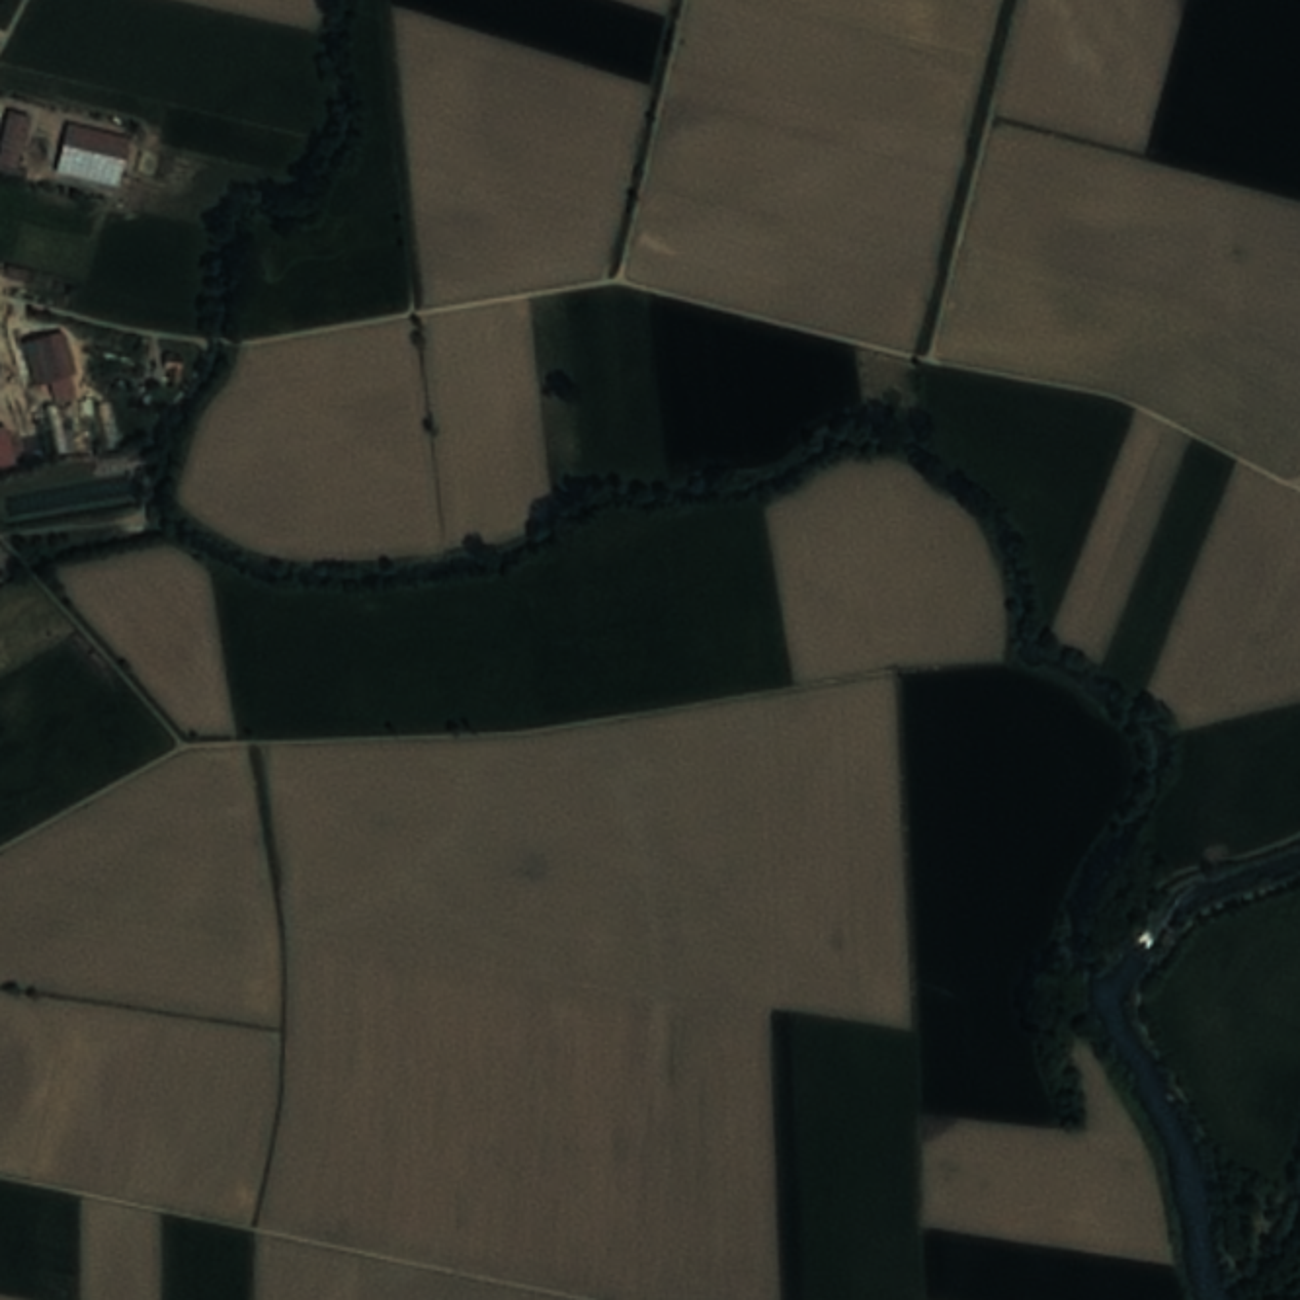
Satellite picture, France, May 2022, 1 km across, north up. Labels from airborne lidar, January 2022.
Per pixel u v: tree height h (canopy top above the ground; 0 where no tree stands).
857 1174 0
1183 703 0
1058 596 0
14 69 0
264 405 0
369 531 0
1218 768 0
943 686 0
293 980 0
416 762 0
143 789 0
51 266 0
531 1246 0
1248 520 0
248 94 0
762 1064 0
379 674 0
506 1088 0
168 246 0
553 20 0
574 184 0
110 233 0
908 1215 0
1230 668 0
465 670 0
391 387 0
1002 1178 0
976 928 0
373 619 0
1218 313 0
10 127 0
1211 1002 0
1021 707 0
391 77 0
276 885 0
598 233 0
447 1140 0
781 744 0
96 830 0
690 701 0
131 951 0
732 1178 0
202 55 0
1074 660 12
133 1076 0
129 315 0
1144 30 0
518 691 0
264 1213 0
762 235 0
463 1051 0
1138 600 0
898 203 0
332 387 0
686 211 0
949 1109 0
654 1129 0
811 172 0
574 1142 0
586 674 0
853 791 0
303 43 0
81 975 0
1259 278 0
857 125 0
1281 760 0
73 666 0
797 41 0
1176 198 0
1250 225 0
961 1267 0
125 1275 0
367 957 0
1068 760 0
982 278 0
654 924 0
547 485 0
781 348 0
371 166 0
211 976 0
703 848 0
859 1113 0
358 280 0
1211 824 0
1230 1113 0
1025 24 0
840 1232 0
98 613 0
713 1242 0
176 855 0
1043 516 0
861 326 0
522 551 6
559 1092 0
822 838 0
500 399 0
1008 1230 0
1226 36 0
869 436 15
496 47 0
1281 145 0
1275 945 0
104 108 0
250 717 0
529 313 0
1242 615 0
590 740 0
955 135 0
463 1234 0
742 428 0
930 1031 0
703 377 0
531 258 0
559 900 0
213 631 0
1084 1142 0
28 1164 0
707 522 0
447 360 0
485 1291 0
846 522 0
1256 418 0
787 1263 0
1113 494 0
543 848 0
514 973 0
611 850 0
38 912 0
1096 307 0
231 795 0
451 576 10
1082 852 0
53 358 0
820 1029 0
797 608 0
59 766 0
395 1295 0
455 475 0
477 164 0
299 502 0
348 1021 0
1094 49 0
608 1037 0
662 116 0
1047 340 0
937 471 19
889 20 0
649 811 0
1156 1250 0
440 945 0
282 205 22
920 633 0
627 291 0
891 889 0
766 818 0
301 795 0
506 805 0
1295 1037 0
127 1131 0
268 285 0
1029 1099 0
